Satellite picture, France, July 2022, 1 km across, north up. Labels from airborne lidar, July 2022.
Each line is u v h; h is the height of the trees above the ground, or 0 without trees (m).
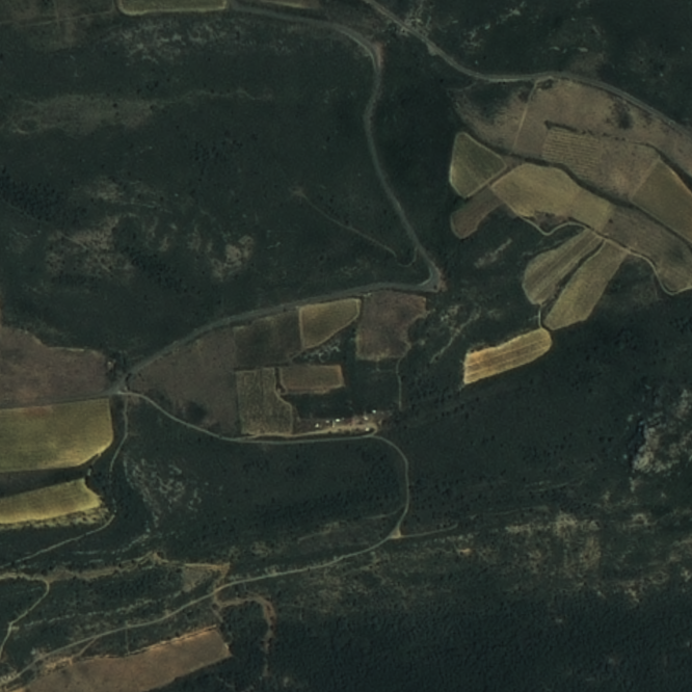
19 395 0
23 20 0
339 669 8
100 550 0
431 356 0
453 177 0
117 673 0
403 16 0
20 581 8
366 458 10
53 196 8
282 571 0
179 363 0
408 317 0
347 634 7
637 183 0
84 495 0
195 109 0
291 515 7
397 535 0
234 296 0
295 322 0
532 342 0
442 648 12
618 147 0
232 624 12
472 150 0
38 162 0
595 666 7
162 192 0
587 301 0
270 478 0
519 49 0
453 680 9
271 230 0
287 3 0
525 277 0
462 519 11
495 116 0
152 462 0
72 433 0
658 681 6
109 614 0
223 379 0
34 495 0
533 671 6
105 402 0
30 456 0
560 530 0
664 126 0
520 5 0
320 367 0
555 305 0
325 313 0
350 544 0
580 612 7
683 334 8
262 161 0
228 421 0
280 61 0
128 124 0
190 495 0
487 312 0
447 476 8
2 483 0
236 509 0
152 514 0
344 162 0
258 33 0
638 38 0
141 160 0
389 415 0
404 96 8
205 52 0
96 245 0
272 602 8
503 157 0
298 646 10
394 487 10
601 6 0
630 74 0
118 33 0
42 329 0
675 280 0
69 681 0
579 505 9
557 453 7
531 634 7
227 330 0
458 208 8
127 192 6
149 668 0
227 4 0
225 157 6
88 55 0
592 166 0
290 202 0
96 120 0
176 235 0
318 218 0
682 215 0
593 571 0
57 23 0
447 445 0
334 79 0
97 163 0
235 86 0
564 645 10
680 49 0
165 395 0
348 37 0
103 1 0
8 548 0
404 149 8
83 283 9
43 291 0
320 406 0
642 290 0
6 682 0
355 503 6
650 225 0
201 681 7
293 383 0
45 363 0
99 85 0
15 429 0
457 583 7
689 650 6
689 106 0
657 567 0
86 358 0
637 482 0
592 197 0
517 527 0
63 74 0
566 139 0
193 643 0
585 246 0
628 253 0
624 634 8
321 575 0
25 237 0
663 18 0
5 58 11
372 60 0
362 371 0
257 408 0
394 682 10
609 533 0
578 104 0
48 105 0
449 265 7
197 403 0
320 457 0
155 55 0
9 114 0
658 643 9
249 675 6
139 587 10
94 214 0
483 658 9
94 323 0
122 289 0
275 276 0
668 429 0
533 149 0
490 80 0
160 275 7
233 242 0
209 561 6
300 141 0
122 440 0
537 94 0
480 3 0
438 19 0
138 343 0
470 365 0
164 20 0
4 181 10
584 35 0
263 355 0
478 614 10
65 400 0
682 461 7
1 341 0
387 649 8
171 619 0
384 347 0
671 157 0
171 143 0
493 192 0
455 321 0
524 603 7
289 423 0
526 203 0
